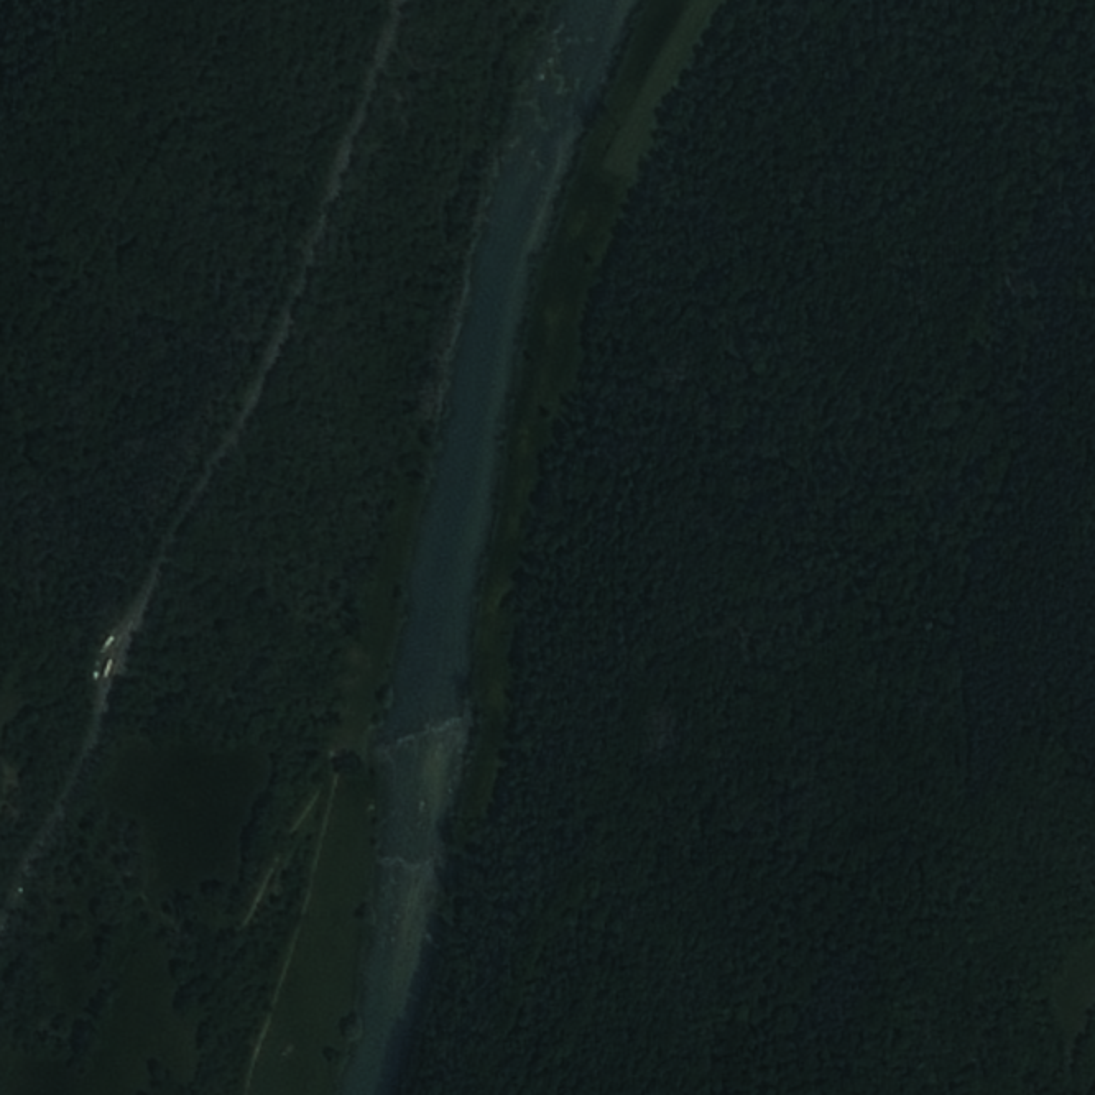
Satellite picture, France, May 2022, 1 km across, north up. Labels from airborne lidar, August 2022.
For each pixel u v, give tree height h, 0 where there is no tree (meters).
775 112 25
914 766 24
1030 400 26
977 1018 18
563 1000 21
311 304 18
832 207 23
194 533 21
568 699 17
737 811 27
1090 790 19
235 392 15
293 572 19
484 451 0
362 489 16
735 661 22
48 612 18
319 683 35
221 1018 14
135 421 20
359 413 15
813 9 28
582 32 0
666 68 0
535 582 24
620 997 18
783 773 25
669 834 22
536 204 0
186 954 25
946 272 25
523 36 21
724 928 22
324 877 0
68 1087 0
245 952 20
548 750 22
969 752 27
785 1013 29
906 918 21
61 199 21
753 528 24
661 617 18
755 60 25
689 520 23
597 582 20
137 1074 0
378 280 11
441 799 0
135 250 21
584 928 15
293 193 14
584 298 0
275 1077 0
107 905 20
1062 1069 15
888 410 27
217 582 24
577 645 19
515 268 0
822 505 13
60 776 15
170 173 18
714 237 30
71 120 20
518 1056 23
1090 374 22
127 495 28
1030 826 17
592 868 23
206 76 12
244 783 0
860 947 21
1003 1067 18
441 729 0
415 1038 37
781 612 26
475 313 0
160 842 0
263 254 22
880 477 29
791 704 26
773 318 29
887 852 14
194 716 30
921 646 21
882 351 27
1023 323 24
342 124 16
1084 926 15
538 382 0
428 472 18
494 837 23
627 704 23
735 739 23
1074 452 22
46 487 25
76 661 26
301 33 13
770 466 27
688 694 26
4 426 28
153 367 22
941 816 18
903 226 26
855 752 27
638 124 0
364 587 25
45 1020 26
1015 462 20
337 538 19
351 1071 0
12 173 20
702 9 0
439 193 8
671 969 21
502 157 7
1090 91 23
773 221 18
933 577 26
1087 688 21
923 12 26
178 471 22
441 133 15
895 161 23
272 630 22
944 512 27
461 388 0
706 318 36
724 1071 21
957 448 24
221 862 0
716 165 26
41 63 21
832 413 32
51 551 21
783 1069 26
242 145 19
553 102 0
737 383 13
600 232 0
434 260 20
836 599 25
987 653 24
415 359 20
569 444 23
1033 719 16
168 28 19
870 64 24
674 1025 22
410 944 0
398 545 0
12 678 8
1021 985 12
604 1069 27
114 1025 0
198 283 21
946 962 18
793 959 24
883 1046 20
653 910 23
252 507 18
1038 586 17
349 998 0
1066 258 28
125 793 0
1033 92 16
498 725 0
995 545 25
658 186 27
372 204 16
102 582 24
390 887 0
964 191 24
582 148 10
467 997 20
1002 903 19
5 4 18
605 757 19
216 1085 17
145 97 19
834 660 25
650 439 23
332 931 0
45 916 27
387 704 14
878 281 28
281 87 14
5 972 6
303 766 22
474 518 0
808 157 22
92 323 21
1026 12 23
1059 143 24
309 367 15
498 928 24
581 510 24
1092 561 20
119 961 0
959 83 26
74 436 26
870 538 27
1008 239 28
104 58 20
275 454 16
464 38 12
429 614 0
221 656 11
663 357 24
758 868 27
